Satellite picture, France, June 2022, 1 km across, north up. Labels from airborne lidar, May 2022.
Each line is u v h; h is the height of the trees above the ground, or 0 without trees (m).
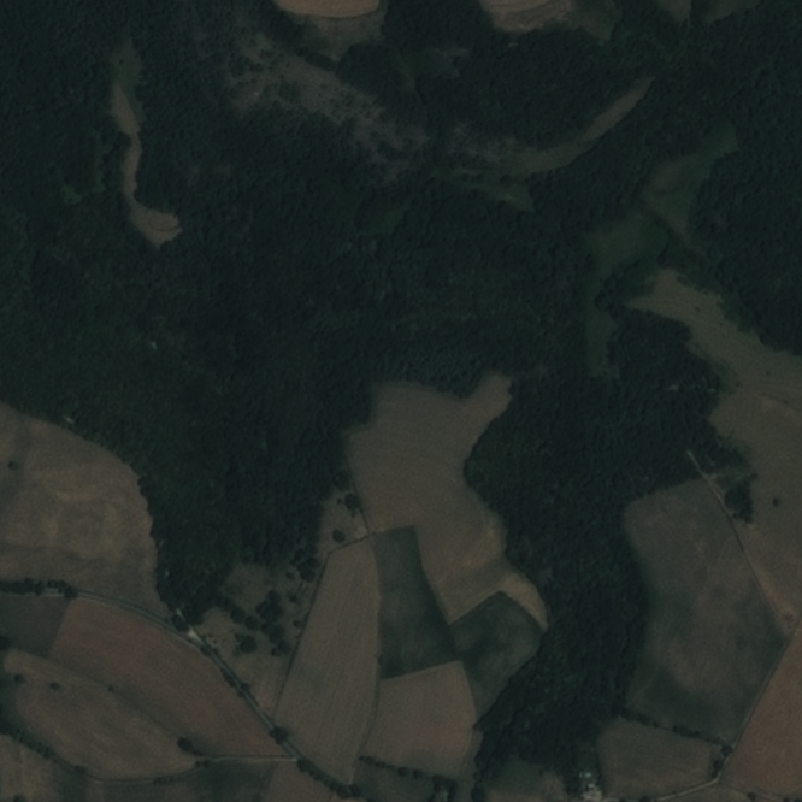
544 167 0
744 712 0
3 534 0
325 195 23
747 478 6
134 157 0
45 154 16
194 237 24
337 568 0
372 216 31
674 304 0
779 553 0
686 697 0
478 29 10
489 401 0
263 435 14
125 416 16
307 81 0
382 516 0
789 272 16
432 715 0
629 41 20
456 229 21
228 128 12
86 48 12
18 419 0
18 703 0
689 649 0
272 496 14
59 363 14
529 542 15
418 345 16
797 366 0
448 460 0
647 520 0
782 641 0
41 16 17
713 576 0
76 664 0
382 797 0
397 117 8
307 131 14
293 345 18
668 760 0
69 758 0
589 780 0
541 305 17
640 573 8
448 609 0
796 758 0
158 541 16
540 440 17
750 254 15
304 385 15
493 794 0
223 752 0
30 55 14
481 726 11
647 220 0
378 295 16
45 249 17
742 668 0
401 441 0
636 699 0
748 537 0
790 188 14
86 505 0
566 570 19
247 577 0
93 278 15
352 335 22
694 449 10
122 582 0
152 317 16
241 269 12
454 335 16
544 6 0
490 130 13
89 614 0
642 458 13
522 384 10
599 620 16
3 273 16
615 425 12
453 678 0
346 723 0
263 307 13
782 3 14
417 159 10
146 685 0
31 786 0
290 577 10
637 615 14
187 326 23
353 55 15
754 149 14
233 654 0
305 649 0
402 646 0
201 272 19
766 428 0
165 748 0
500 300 14
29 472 0
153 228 0
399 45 19
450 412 0
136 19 16
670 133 20
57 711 0
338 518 0
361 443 0
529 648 0
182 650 0
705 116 20
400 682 0
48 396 15
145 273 21
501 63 17
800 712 0
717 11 0
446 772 0
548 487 21
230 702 0
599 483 14
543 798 0
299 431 16
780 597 0
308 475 19
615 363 17
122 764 0
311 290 22
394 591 0
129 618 0
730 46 17
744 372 0
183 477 15
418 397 0
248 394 17
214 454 23
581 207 23
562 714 19
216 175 9
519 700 18
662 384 14
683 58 16
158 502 14
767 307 26
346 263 28
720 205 11
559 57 17
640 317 16
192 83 8
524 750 17
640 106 12
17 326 21
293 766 0
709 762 0
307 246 16
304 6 0
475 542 0
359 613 0
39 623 0
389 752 0
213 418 22
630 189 21
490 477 19
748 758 0
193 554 16
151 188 18
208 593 18
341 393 21
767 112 14
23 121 23
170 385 17
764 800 0
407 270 15
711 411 13
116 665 0
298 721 0
